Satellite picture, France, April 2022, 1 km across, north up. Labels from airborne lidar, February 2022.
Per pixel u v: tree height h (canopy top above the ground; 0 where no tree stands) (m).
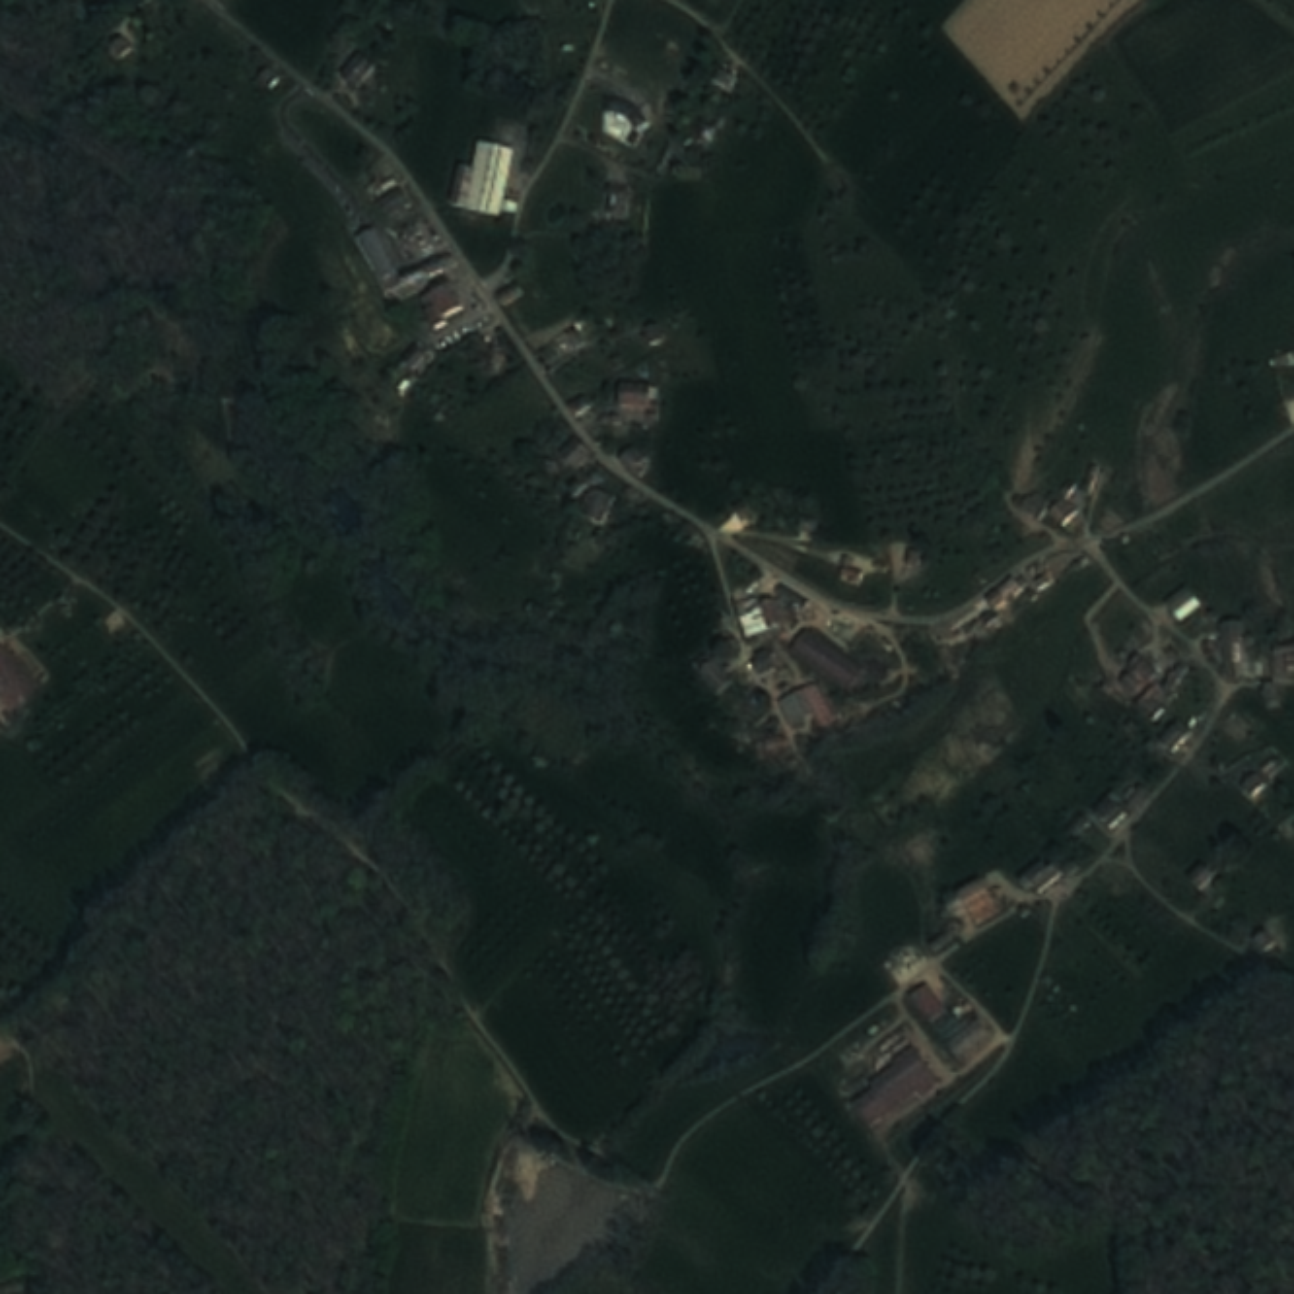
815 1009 0
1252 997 31
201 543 0
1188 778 11
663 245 0
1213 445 0
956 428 9
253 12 0
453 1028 18
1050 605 0
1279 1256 30
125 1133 29
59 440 0
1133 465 0
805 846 0
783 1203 0
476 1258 0
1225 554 0
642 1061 0
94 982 30
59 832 0
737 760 0
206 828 27
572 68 0
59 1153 24
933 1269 0
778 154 0
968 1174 9
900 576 0
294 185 0
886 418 0
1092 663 0
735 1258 0
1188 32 0
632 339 0
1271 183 0
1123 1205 29
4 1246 21
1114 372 0
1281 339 0
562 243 0
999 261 9
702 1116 0
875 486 0
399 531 28
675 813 0
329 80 8
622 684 25
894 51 0
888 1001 0
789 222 0
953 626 0
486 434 0
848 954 8
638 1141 0
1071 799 0
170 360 33
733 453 0
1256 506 0
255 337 0
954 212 0
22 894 0
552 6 0
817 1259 0
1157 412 0
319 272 0
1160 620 0
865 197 0
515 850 0
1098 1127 35
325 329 0
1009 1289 0
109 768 0
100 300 32
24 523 0
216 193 19
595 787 0
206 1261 0
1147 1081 29
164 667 0
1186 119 0
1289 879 0
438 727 0
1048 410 0
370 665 0
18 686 0
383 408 11
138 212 35
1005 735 0
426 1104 0
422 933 31
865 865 8
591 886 0
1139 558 0
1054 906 0
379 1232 27
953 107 0
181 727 0
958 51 0
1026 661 0
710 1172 0
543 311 0
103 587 8
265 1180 27
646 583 14
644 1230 24
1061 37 0
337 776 0
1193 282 0
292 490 22
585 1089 0
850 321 0
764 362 0
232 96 9
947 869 0
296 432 29
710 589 0
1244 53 0
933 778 0
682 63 0
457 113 0
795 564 0
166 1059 33
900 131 0
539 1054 0
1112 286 0
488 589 0
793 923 0
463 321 0
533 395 0
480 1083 0
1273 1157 30
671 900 0
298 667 20
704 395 0
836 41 0
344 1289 29
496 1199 0
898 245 0
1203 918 0
